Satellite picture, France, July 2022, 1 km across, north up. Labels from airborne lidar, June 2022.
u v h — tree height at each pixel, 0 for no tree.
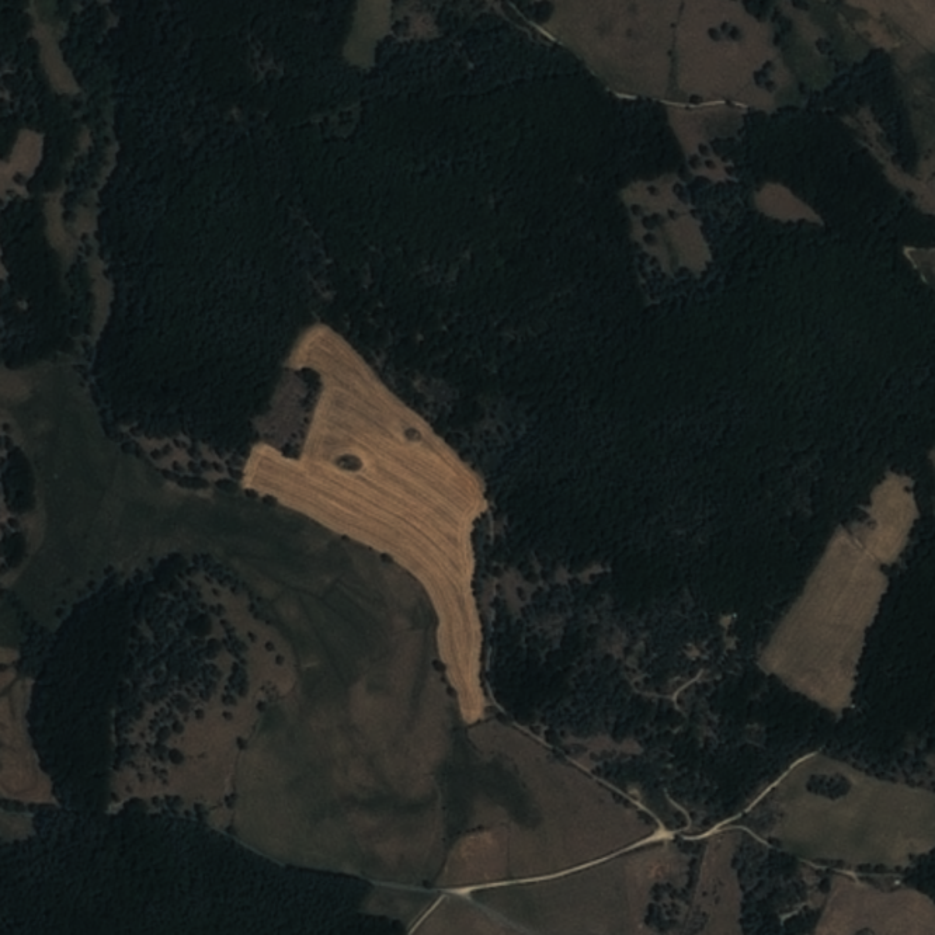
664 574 10
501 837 0
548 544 17
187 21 13
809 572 14
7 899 22
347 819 0
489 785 0
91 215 0
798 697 10
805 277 17
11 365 18
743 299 15
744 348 12
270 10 13
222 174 11
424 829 0
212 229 13
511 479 19
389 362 7
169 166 13
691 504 15
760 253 15
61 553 0
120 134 19
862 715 8
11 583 0
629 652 12
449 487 0
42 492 0
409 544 0
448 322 13
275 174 13
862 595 0
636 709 14
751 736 6
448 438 11
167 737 10
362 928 17
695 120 0
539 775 0
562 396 13
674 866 0
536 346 13
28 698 0
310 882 22
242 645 14
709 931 0
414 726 0
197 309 15
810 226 12
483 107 18
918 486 9
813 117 17
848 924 0
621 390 15
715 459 17
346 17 13
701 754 10
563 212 10
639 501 14
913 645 14
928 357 19
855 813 0
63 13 8
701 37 0
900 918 0
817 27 0
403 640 0
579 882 0
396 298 15
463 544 0
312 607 0
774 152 21
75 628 21
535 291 15
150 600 16
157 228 15
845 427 17
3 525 7
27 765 0
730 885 0
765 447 15
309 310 9
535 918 0
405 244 12
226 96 13
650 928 8
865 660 9
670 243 0
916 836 0
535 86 15
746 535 18
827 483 11
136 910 15
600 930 0
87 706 13
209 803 0
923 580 18
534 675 13
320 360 0
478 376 9
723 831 0
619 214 16
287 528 0
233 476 11
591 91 16
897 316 18
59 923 24
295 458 11
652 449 14
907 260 14
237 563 0
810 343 11
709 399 18
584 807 0
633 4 0
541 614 8
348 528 0
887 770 11
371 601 0
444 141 16
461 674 0
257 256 14
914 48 0
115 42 17
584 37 0
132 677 16
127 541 0
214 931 16
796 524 12
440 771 0
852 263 17
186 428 19
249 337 16
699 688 11
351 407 0
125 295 7
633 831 0
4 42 20
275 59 8
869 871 8
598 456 12
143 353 16
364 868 0
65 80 0
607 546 11
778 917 7
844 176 21
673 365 17
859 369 16
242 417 17
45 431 0
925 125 0
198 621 13
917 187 0
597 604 12
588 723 18
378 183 14
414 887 0
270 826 0
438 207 13
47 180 19
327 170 18
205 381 17
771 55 0
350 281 11
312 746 0
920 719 19
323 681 0
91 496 0
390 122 16
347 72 23
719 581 13
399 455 0
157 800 12
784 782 0
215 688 13
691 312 16
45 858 17
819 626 0
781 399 12
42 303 17
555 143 13
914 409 15
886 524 0
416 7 0
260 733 0
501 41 16
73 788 18
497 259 10
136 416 17
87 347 16
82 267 11
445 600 0
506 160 12
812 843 0
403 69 22
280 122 15
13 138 14
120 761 12
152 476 0
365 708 0
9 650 0
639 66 0
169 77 19
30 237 26
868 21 0
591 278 14
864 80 14
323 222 14
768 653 0
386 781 0
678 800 7
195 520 0
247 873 19
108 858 20
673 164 15
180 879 14
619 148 20
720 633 11
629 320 17
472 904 0
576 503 16
